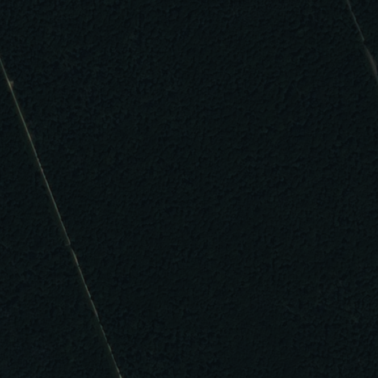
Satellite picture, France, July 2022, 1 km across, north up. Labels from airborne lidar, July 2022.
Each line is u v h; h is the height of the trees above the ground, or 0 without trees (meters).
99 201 27
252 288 22
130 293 31
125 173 26
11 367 19
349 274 25
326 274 25
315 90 26
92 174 23
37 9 25
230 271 29
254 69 17
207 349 22
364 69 29
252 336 21
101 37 23
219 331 24
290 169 26
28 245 23
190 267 30
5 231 25
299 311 25
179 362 28
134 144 24
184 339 24
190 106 25
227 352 25
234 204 24
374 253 25
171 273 29
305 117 23
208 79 23
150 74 27
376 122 25
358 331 26
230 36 21
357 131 28
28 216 24
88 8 26
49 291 23
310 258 27
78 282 19
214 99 26
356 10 22
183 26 22
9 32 24
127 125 26
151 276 30
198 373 21
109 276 30
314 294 26
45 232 26
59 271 29
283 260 26
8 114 22
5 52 25
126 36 26
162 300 28
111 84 21
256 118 27
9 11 26
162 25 25
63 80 26
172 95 27
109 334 22
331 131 30
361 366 25
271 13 20
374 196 16
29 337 24
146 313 29
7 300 8
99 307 14
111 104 26
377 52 20
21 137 17
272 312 23
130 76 26
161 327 28
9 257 23
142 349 28
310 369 17
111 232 29
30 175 19
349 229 25
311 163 24
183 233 26
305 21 22
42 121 25
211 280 25
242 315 25
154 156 25
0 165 24
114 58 25
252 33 16
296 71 26
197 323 25
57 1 24
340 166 18
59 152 26
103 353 21
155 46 29
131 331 21
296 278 26
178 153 27
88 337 25
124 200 26
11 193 29
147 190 29
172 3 28
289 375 26
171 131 28
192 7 24
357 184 27
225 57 24
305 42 23
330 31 23
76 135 29
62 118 28
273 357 25
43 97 26
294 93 30
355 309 17
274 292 24
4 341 23
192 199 26
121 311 28
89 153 23
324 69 23
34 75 23
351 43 25
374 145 27
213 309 26
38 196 22
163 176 28
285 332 26
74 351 23
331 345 28
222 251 29
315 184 24
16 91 24
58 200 22
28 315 24
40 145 27
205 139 27
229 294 24
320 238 26
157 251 27
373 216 26
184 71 25
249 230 26
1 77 22
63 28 28
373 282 25
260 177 25
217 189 25
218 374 23
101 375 24
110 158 28
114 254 25
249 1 25
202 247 27
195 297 25
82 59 29
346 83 28
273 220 24
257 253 26
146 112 26
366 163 25
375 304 24
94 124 29
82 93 25
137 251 27
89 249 27
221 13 26
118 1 11
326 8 20
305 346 22
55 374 22
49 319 27
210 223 24
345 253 31
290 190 24
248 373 24
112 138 29
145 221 25
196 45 26
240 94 23
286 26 26
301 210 22
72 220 26
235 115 29
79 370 21
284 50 25
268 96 28
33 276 27
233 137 26
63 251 25
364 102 31
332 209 23
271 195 27
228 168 27
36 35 28
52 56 25
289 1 21
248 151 26
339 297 27
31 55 25
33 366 21
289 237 24
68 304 25
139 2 25
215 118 28
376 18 24
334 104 20
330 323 24
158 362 32
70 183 16
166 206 8
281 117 27
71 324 25
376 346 23
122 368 22
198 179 25
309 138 28
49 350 22
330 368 29
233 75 24
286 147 24
